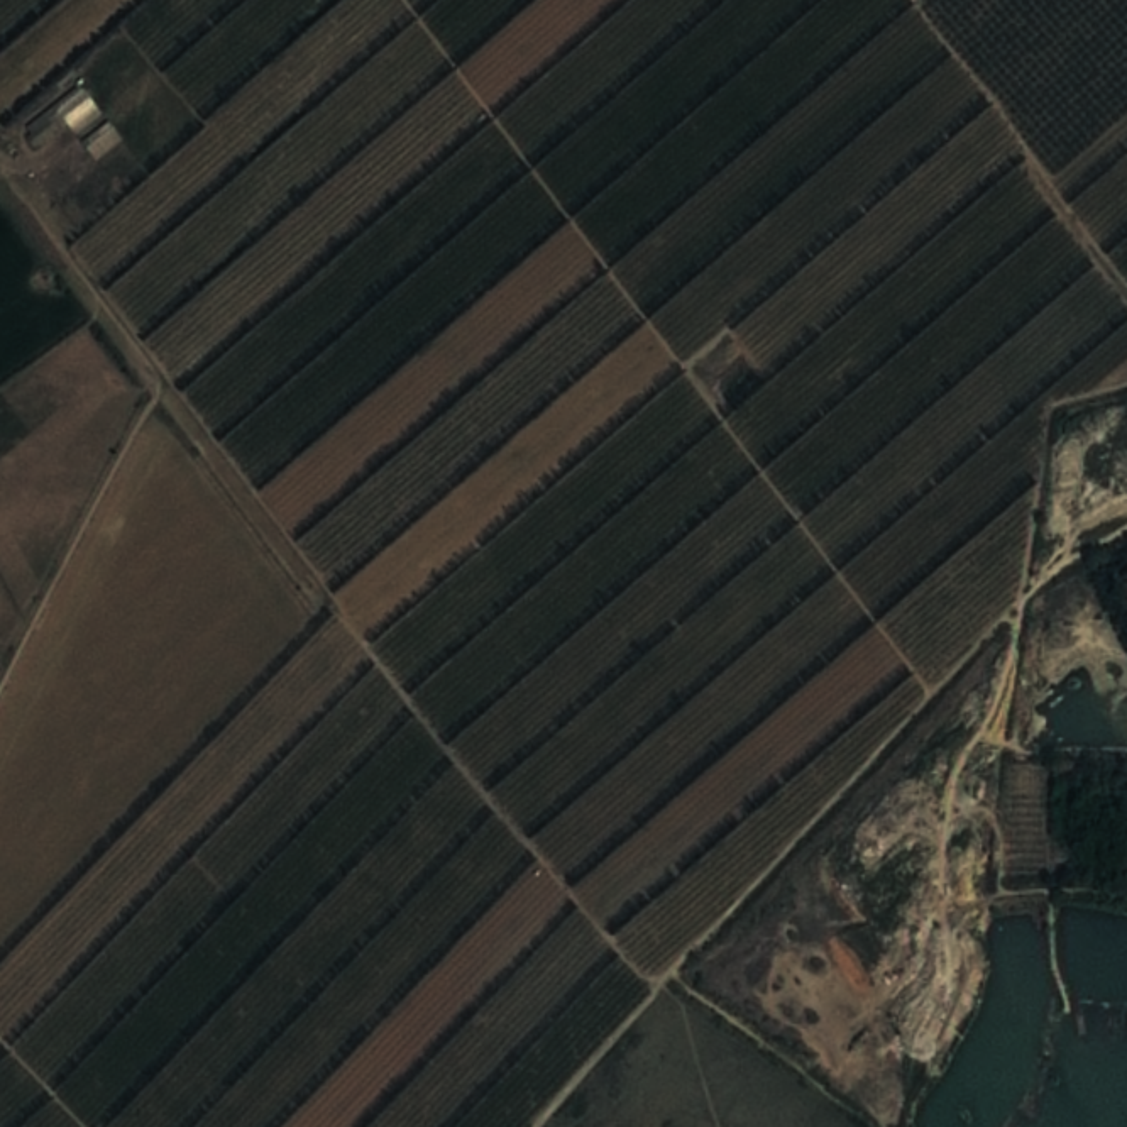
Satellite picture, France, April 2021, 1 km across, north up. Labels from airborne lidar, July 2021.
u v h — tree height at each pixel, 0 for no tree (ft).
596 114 54
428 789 47
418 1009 0
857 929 0
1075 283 49
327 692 0
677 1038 0
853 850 0
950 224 52
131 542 0
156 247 52
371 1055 0
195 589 0
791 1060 0
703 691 52
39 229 0
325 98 55
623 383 0
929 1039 0
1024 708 0
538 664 52
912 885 0
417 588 0
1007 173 48
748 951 0
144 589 0
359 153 52
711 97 62
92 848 0
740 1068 0
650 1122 0
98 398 0
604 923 0
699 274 62
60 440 0
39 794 0
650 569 57
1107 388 0
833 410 55
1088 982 0
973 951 0
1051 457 0
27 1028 49
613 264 54
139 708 0
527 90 51
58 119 0
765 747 0
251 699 48
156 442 0
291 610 0
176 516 0
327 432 52
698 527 55
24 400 0
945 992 0
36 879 0
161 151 0
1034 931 0
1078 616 0
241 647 0
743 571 54
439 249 58
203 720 0
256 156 26
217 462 0
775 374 48
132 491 0
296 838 52
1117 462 0
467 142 61
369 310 55
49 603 0
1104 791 38
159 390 0
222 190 54
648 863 0
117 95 0
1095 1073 0
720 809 0
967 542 47
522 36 0
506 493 0
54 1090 45
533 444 0
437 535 0
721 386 0
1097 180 61
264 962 58
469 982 0
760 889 0
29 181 0
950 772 0
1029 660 0
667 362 0
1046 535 0
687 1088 0
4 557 0
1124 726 0
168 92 0
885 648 0
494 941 0
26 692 0
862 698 0
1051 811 29
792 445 59
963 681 0
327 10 35
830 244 56
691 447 35
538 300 0
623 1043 0
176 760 0
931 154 52
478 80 0
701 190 54
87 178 0
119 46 0
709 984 0
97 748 0
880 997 0
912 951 0
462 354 0
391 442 0
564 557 55
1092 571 22
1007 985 0
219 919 56
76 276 0
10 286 0
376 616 0
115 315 0
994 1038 0
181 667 0
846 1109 0
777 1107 0
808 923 0
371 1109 0
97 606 0
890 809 0
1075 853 39
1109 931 0
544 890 0
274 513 0
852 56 43
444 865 54
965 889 0
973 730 0
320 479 0
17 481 0
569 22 0
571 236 0
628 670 63
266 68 53
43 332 0
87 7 0
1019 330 45
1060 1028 0
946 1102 0
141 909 53
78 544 0
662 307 60
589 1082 0
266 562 0
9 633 0
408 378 0
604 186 41
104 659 0
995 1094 0
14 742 0
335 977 44
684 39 73
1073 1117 0
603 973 46
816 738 0
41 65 0
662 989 0
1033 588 0
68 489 0
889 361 52
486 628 55
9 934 0
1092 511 0
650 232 56
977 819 0
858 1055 0
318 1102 0
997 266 51
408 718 56
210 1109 50
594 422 0
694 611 50
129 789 0
